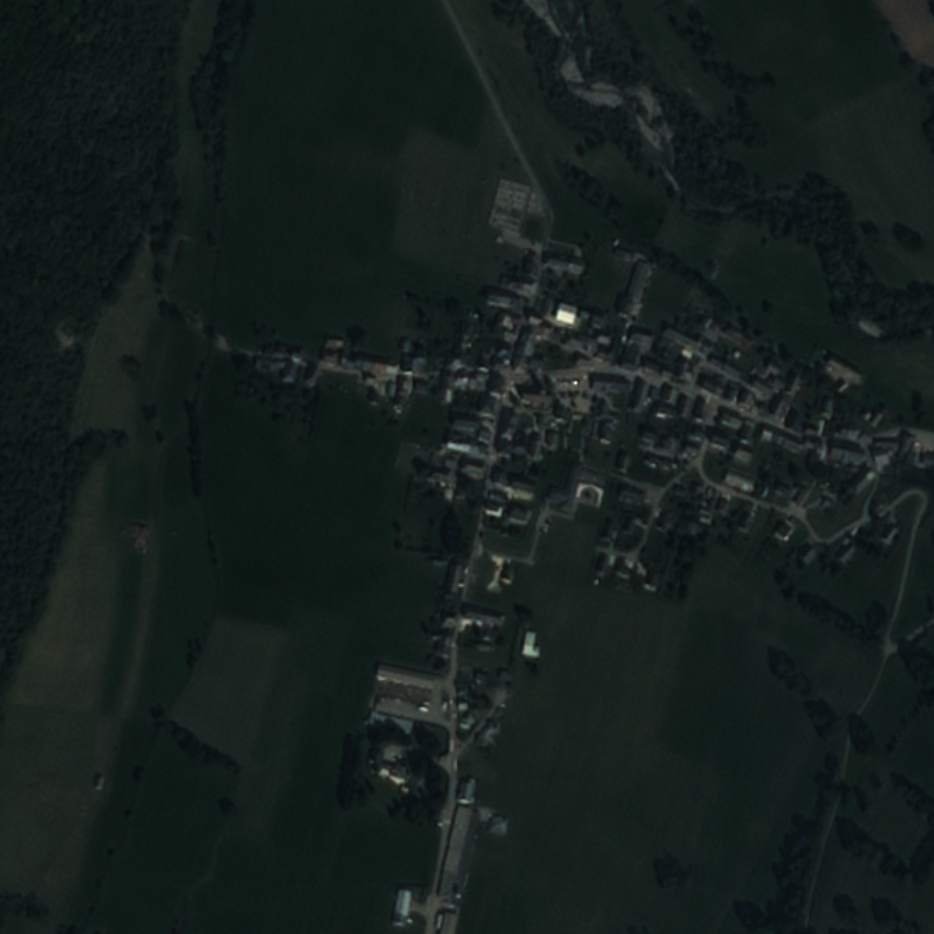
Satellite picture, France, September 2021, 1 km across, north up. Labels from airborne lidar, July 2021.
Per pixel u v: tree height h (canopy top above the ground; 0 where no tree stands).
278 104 0
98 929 0
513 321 0
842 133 0
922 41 0
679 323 6
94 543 0
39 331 15
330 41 0
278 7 0
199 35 0
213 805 0
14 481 14
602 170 0
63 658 0
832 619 16
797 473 12
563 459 0
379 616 0
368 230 0
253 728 0
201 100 14
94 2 18
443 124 0
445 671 13
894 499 0
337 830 0
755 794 0
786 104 0
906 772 0
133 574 0
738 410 0
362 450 0
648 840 0
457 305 11
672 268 6
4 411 15
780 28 0
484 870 0
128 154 15
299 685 0
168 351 0
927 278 0
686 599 9
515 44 0
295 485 0
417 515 0
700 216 8
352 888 0
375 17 0
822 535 0
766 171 0
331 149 0
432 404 0
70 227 13
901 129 0
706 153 17
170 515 0
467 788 0
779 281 0
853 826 0
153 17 11
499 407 0
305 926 0
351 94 0
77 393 13
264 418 0
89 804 0
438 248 0
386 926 0
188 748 20
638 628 0
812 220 21
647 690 0
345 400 0
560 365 0
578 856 0
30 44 22
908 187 0
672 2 16
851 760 0
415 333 0
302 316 0
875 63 0
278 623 0
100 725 0
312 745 0
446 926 0
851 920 19
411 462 0
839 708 0
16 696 0
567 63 0
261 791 0
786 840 0
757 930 21
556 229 0
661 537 0
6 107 16
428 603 0
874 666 0
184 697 0
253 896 0
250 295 0
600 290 0
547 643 0
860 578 0
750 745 0
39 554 19
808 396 0
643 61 13
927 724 0
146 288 0
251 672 0
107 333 0
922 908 0
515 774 0
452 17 0
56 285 16
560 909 0
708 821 0
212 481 0
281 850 0
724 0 0
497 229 0
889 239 0
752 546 0
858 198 0
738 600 0
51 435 13
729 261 0
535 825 0
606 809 0
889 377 0
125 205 18
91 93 8
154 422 21
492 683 0
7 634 9
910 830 0
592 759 0
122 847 0
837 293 18
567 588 0
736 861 0
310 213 0
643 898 0
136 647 0
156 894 0
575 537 0
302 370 8
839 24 0
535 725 0
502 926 0
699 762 0
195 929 0
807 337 0
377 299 0
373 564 0
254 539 0
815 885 0
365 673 0
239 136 0
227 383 0
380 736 20
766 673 0
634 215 0
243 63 0
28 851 0
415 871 0
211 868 0
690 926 0
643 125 0
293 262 0
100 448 16
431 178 0
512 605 0
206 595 0
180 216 20
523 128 0
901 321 25
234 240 0
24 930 0
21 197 24
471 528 0
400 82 0
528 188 0
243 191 0
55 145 19
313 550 0
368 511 0
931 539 0
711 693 0
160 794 0
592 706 0
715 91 0
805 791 0
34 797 0
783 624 0
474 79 0
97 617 0
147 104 17
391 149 0
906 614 0
